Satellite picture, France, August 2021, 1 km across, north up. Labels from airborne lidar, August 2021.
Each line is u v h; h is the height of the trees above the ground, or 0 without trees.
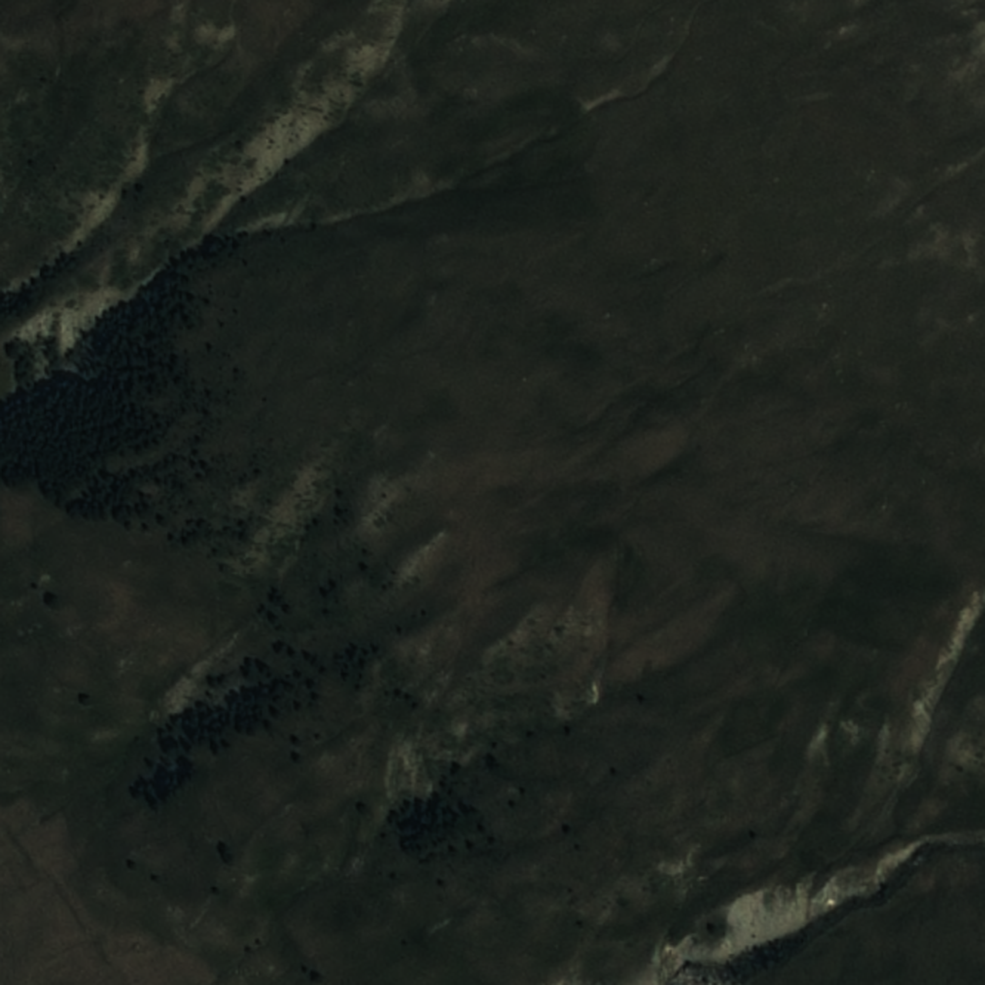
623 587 0
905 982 0
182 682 0
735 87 0
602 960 0
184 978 0
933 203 0
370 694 0
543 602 0
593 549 0
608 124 0
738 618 0
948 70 0
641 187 0
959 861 0
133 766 0
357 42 0
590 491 0
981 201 0
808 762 0
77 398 15
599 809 0
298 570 0
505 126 0
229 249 14
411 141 0
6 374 0
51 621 0
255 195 0
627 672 0
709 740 0
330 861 0
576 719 0
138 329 13
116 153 0
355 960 0
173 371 9
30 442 23
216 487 0
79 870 0
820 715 0
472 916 0
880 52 0
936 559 0
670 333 0
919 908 0
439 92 0
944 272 0
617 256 0
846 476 0
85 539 0
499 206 0
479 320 0
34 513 0
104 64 0
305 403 0
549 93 0
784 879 0
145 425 14
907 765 0
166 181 0
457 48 0
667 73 0
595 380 0
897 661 0
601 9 0
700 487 0
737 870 0
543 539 0
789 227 0
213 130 0
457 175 0
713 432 0
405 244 0
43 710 0
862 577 0
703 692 0
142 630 0
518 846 0
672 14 0
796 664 0
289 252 0
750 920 0
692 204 0
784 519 0
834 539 0
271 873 0
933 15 0
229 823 0
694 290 0
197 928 0
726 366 0
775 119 0
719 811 0
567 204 0
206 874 0
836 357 0
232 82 0
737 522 0
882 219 0
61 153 0
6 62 0
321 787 0
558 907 0
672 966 0
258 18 0
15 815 0
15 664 0
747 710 0
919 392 0
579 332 0
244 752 0
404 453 0
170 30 0
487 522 0
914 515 0
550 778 0
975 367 0
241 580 0
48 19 0
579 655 0
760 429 0
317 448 0
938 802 0
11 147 0
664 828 0
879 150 0
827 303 0
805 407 0
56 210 0
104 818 0
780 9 0
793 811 0
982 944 0
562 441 0
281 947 0
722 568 0
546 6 0
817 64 0
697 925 0
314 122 0
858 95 0
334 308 0
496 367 0
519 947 0
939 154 0
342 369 0
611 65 0
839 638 0
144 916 0
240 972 0
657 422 0
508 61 0
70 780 0
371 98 0
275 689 10
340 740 0
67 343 0
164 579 0
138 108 0
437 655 0
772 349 0
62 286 0
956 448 0
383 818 0
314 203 0
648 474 0
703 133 0
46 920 0
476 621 0
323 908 0
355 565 0
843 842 0
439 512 0
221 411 0
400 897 0
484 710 0
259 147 0
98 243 0
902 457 0
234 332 0
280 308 0
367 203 0
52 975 0
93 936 0
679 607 0
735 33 0
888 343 0
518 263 0
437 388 0
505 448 0
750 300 0
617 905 0
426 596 0
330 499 0
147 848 0
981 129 0
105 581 0
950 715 0
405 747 0
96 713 0
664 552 0
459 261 0
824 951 0
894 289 0
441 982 0
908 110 0
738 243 0
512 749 0
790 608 0
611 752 0
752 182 0
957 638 0
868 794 0
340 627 0
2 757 0
